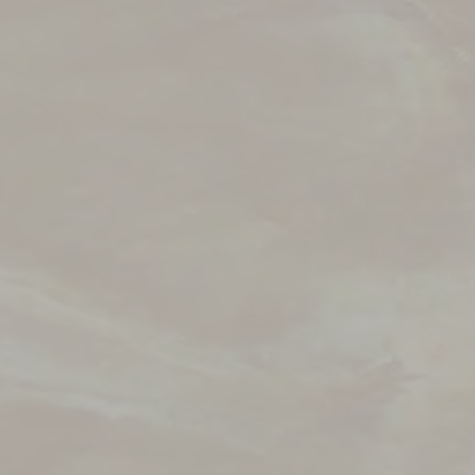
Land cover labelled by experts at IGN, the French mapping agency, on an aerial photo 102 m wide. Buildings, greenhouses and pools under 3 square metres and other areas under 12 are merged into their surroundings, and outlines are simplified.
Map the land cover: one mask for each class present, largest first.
<instances>
[{"label":"bare soil","instance_id":"1","mask_svg":"<svg viewBox=\"0 0 475 475\"><path fill-rule=\"evenodd\" d=\"M0 475H475V0H0Z\"/></svg>","mask_w":475,"mask_h":475}]
</instances>
